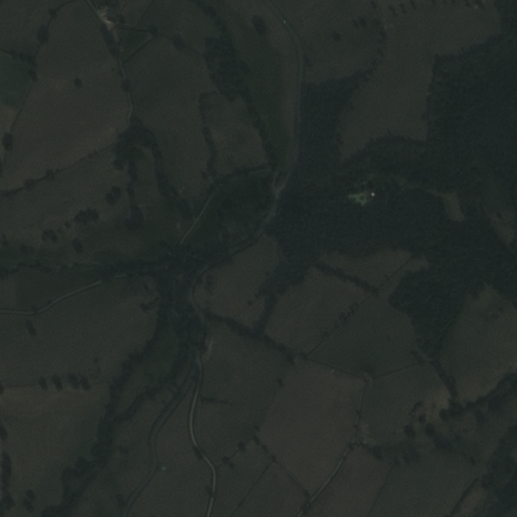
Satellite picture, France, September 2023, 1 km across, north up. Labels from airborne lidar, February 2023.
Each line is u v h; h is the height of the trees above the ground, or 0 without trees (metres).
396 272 0
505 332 0
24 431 0
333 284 0
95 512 0
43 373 0
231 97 6
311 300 0
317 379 0
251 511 0
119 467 0
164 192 20
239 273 0
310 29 0
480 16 0
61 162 0
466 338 0
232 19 0
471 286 12
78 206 0
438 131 12
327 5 0
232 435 0
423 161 13
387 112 0
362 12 0
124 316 0
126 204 0
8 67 0
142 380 0
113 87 0
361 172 19
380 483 0
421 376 0
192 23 0
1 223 0
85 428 0
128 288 0
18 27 0
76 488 0
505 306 0
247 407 0
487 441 0
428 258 13
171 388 0
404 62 0
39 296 0
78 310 0
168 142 0
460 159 15
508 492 8
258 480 0
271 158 14
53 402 0
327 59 0
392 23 0
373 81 0
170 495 0
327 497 0
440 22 0
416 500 0
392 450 0
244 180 0
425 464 0
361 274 0
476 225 14
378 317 0
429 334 21
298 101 0
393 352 0
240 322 0
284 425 0
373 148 14
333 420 0
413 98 0
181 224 0
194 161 0
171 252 10
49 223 0
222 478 0
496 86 24
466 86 19
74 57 0
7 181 0
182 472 0
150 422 0
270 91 0
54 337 0
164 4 0
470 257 7
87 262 0
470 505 0
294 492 0
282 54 0
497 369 0
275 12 0
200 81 0
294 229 16
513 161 21
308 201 14
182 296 19
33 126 0
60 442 0
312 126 12
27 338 0
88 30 0
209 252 21
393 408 0
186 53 0
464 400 0
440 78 17
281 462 0
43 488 0
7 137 11
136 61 0
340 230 19
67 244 0
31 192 0
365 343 0
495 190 0
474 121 19
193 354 0
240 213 0
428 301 24
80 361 0
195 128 0
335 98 16
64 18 0
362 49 0
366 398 0
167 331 0
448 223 9
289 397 0
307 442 0
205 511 0
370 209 16
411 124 0
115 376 0
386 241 16
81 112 0
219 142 0
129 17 0
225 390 0
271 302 14
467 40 0
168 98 0
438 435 0
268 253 0
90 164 0
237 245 19
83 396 0
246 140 0
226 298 0
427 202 21
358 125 0
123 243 0
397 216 17
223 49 12
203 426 0
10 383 0
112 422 11
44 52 0
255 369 0
